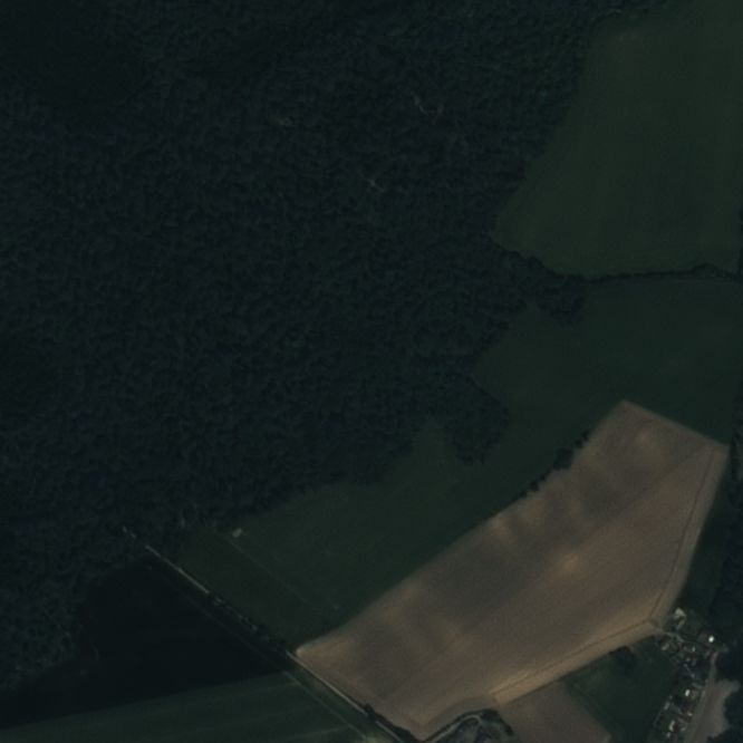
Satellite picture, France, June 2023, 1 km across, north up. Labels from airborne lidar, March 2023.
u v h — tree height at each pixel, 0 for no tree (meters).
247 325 27
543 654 0
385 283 14
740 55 0
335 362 23
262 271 26
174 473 23
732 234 0
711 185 0
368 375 19
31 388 8
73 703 0
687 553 0
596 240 0
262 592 0
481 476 0
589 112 0
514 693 0
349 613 0
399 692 0
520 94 20
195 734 0
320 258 20
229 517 18
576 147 0
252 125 27
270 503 18
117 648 0
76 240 25
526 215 0
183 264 30
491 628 0
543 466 0
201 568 0
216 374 25
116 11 9
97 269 21
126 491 27
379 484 0
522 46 19
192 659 0
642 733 0
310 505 0
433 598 0
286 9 23
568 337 0
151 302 23
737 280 12
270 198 27
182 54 17
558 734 0
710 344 0
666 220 0
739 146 0
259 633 9
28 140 27
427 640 0
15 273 29
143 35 18
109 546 27
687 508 0
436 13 18
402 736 11
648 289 0
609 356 0
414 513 0
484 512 0
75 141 21
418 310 19
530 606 0
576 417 0
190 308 19
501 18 23
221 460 25
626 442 0
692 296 0
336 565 0
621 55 0
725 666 21
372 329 23
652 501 0
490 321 22
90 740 0
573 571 0
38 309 31
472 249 15
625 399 0
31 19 5
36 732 0
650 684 0
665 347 0
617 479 0
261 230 30
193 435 20
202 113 26
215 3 21
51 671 0
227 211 27
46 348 12
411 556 0
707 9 0
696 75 0
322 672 0
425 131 28
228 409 27
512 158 16
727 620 0
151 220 23
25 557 21
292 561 0
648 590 0
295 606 0
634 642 0
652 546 0
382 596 0
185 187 33
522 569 0
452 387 18
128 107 7
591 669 0
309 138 24
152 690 0
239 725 0
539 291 15
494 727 0
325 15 14
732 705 20
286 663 0
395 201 19
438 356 22
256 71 13
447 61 23
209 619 0
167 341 29
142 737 0
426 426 0
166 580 0
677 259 0
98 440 31
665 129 0
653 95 0
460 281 18
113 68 6
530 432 0
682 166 0
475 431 21
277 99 22
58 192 8
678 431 0
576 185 0
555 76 13
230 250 28
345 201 12
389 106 17
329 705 0
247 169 32
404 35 16
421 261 16
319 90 23
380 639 0
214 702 0
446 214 20
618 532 0
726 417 0
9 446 9
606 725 0
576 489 0
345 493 0
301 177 28
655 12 0
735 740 15
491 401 15
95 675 0
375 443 20
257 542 0
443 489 0
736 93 0
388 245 9
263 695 0
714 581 0
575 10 19
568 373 0
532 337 0
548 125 18
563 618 0
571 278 15
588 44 14
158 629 0
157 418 24
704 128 0
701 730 0
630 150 0
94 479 30
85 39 6
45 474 29
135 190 31
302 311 23
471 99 15
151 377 17
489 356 0
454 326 17
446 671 0
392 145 23
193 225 30
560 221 0
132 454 28
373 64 22
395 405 10
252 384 22
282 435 24
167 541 18
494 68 19
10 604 24
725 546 0
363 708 0
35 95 18
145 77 8
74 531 24
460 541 0
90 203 28
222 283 29
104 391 29
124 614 0
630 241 0
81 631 0
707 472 0
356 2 16
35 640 7
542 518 0
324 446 21
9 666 24
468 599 0
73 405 30
